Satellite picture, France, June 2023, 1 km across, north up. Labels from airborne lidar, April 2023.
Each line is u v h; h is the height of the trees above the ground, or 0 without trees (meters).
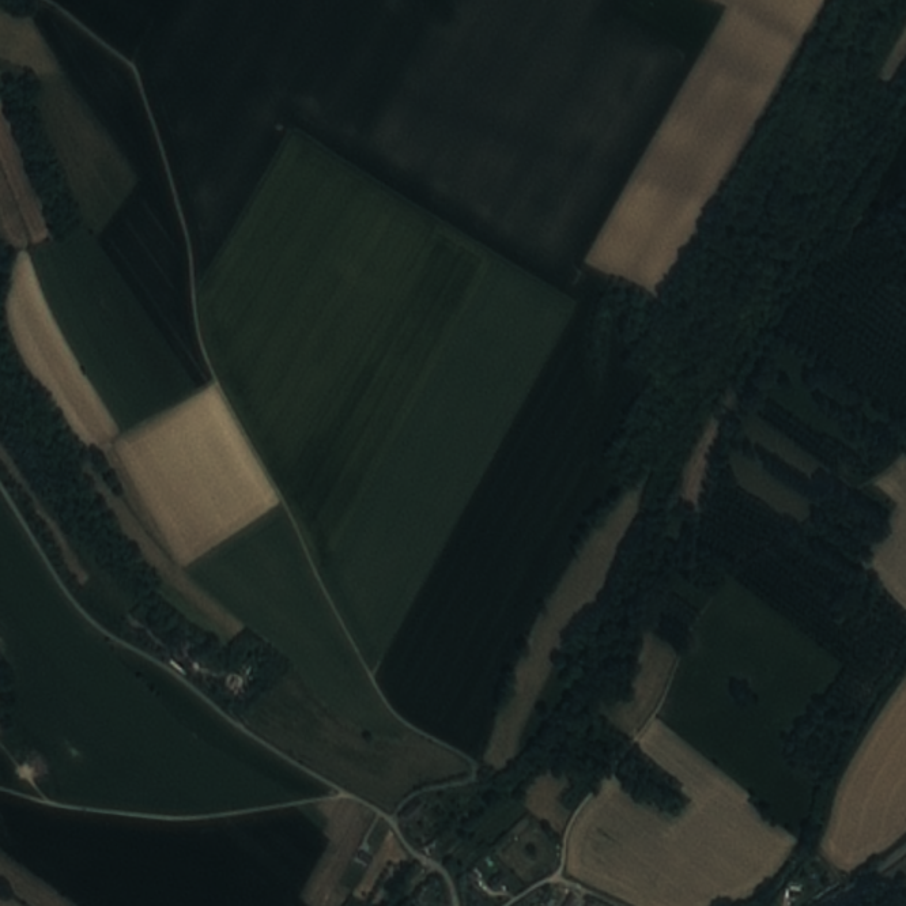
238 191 0
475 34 0
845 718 19
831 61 22
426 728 0
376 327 0
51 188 17
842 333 15
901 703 0
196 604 0
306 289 0
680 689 0
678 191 0
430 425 0
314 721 0
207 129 0
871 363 14
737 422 27
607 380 0
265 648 9
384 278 0
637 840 0
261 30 0
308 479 0
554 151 0
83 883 0
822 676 0
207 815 0
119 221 0
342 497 0
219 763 0
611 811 0
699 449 0
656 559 15
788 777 0
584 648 30
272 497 0
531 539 0
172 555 0
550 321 0
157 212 0
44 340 0
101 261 0
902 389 8
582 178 0
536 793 0
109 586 0
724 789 0
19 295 0
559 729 19
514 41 0
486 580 0
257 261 0
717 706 0
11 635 0
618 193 0
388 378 0
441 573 0
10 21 0
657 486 16
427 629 0
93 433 0
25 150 16
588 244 0
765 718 0
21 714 0
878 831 0
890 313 16
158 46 0
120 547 11
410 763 0
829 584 8
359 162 0
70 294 0
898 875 10
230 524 0
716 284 24
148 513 0
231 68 0
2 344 14
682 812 0
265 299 0
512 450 0
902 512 0
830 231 30
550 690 0
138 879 0
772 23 0
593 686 31
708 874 0
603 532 0
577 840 0
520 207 0
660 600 26
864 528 35
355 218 0
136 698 0
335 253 0
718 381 18
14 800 0
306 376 0
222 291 0
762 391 18
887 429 23
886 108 17
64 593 0
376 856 0
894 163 0
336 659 0
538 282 0
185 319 0
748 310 19
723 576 13
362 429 0
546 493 0
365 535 0
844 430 21
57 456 14
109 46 0
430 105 0
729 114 0
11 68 0
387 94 0
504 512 0
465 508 0
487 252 0
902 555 0
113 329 0
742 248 16
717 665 0
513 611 0
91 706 0
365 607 0
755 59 0
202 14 0
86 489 17
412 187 0
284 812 0
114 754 0
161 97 0
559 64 0
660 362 17
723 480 8
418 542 0
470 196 0
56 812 0
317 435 0
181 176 0
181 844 0
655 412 18
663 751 0
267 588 0
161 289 0
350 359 0
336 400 0
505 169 0
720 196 12
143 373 0
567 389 0
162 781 0
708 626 0
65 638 0
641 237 0
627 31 0
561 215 0
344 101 0
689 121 0
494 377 0
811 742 15
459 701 0
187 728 0
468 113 0
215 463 0
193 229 0
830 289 14
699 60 0
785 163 19
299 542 0
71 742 0
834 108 6
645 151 0
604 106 0
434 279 0
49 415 15
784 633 0
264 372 0
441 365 0
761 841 0
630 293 21
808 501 0
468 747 0
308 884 0
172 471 0
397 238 0
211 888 0
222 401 0
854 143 14
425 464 0
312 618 0
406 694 0
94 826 0
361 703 0
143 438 0
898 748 0
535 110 0
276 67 0
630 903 0
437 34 0
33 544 0
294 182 0
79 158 0
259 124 0
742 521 8
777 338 21
